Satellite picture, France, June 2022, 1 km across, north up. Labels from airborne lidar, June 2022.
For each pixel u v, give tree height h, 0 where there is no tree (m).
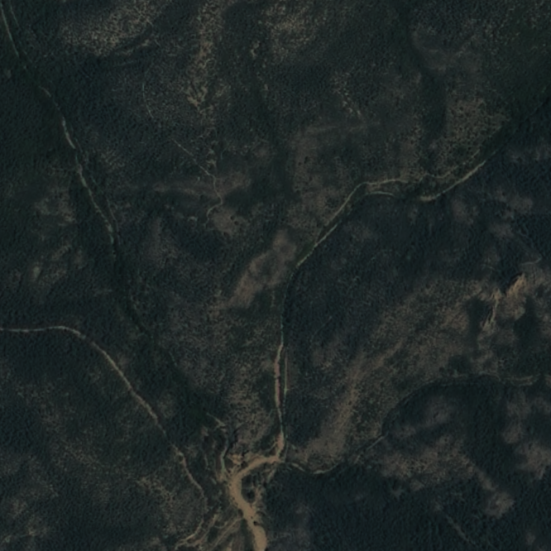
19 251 8
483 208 8
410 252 8
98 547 10
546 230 14
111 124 7
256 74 6
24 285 14
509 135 11
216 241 10
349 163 6
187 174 7
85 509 11
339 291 7
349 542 10
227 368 10
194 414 7
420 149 12
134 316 9
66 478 10
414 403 7
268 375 7
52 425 6
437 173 6
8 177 16
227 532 0
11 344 15
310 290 7
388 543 14
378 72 8
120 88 6
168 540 7
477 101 7
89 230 20
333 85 7
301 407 8
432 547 16
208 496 15
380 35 13
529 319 6
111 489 8
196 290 8
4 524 10
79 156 7
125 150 9
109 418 12
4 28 7
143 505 9
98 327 15
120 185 11
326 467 7
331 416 0
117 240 9
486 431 17
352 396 0
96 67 19
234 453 7
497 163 11
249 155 9
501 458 13
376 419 6
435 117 9
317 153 0
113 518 9
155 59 9
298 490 16
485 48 9
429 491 10
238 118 10
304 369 6
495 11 9
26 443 9
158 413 16
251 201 6
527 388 10
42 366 15
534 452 0
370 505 9
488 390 12
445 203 8
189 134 10
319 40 8
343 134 0
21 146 11
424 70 7
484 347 0
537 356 10
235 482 0
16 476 8
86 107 9
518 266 10
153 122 12
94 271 14
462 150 6
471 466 6
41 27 8
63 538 13
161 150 10
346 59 8
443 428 8
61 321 13
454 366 6
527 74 11
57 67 8
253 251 8
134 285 16
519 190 7
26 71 12
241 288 0
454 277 10
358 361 0
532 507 14
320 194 0
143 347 12
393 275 0
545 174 9
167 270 8
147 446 11
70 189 7
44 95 9
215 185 0
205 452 14
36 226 6
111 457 6
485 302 5
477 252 14
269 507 7
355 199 6
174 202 9
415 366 6
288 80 10
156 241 0
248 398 6
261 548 0
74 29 6
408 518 22
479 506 11
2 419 12
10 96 19
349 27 7
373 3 11
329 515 16
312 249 7
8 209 11
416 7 10
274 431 7
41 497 6
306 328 12
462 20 7
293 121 9
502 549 15
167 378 17
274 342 13
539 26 8
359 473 12
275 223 10
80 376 14
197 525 8
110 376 8
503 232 0
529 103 13
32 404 6
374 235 0
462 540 19
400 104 7
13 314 16
